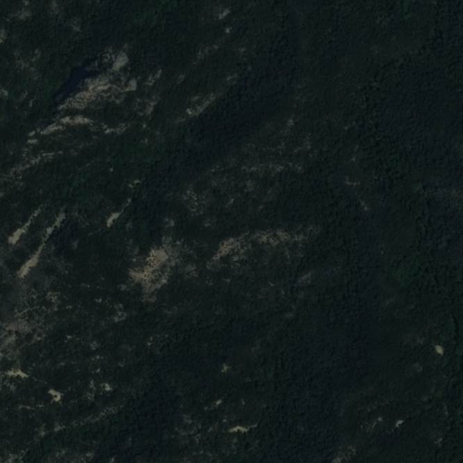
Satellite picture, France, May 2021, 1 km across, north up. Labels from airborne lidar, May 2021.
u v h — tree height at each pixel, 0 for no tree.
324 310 12
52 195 9
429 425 7
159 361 17
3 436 7
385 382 15
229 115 10
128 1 11
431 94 9
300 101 11
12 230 9
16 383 7
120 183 9
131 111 8
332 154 18
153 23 12
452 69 23
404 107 7
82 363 7
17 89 11
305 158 9
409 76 7
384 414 12
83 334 8
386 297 6
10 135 9
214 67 8
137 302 11
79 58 8
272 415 13
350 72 6
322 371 7
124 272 6
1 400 8
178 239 9
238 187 10
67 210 7
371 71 15
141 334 9
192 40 9
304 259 21
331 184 23
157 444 8
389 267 10
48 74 9
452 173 11
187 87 13
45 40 12
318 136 6
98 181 11
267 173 11
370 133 24
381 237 8
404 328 8
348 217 26
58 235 14
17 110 8
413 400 13
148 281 0
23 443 13
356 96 7
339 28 14
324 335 6
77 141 6
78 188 6
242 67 20
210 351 9
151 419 10
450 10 11
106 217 7
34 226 9
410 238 8
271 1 10
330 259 7
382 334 6
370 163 11
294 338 12
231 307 10
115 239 8
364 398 11
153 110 6
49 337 8
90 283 8
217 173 10
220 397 12
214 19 7
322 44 14
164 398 14
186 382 9
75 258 7
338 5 17
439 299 15
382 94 19
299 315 22
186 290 11
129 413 14
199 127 11
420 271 27
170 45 8
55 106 12
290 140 7
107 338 9
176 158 21
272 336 6
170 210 7
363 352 12
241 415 7
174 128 10
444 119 6
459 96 11
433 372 11
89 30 15
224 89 6
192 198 7
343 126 8
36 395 10
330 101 17
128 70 11
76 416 7
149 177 10
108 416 14
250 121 8
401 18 17
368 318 8
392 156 19
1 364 8
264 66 6
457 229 13
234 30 6
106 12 14
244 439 11
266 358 15
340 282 8
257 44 6
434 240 15
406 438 9
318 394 7
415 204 25
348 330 10
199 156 13
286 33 9
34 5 7
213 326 24
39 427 9
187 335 13
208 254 9
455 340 16
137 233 10
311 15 11
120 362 14
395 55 7
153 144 6
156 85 9
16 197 13
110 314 12
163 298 9
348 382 10
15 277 9
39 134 7
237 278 6
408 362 11
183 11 9
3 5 8
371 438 16
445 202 6
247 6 10
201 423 8
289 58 14
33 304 6
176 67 9
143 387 14
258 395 12
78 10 7
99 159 14
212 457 8
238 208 12
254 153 8
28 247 6
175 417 6
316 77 8
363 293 15
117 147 15
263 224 10
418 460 10
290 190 7
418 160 16
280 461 11
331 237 26
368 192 7
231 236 8
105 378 8
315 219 9
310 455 12
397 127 8
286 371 24
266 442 22
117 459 12
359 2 15
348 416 12
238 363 7
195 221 8
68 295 7
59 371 10
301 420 7
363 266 16
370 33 12
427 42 12
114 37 7
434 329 12
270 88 6
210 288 8
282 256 7
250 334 12
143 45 10
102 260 7
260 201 7
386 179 16
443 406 13
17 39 7
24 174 6
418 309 13
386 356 6
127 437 7
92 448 8
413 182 7
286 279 11
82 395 9
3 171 7
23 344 13
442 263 8
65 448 6
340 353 7
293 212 13
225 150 7
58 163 10
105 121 5
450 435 19
